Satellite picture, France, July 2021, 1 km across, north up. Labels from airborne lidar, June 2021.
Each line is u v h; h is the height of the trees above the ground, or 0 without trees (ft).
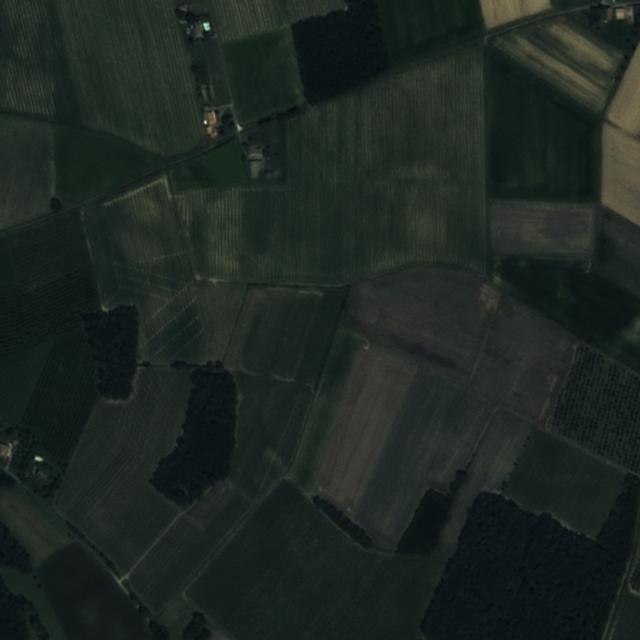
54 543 0
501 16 0
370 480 0
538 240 0
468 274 0
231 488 0
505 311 0
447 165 0
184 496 69
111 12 0
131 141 0
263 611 0
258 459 0
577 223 0
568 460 0
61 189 0
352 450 0
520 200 0
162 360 0
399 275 0
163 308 0
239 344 0
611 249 0
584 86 0
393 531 0
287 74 0
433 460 0
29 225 0
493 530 79
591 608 80
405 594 0
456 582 71
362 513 0
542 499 0
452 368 0
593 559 86
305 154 0
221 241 0
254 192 0
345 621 0
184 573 0
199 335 0
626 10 0
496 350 0
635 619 0
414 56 0
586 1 0
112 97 0
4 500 0
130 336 49
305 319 0
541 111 0
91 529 0
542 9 0
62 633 0
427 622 52
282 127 0
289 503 0
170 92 0
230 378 67
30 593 0
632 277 0
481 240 0
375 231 0
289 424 0
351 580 0
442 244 0
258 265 0
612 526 37
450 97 0
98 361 66
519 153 0
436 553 0
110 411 0
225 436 53
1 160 0
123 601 0
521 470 0
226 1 0
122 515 0
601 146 0
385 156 0
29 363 0
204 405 41
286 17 0
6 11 0
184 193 0
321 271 0
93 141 0
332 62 65
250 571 0
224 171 0
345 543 0
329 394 0
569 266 0
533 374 0
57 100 0
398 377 0
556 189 0
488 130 0
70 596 0
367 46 59
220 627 0
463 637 63
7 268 0
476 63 0
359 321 0
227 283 0
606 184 0
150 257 0
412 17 0
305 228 0
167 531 0
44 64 0
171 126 0
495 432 0
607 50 0
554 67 0
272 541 0
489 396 0
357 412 0
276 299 0
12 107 0
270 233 0
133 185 0
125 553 0
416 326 0
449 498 20
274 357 0
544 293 0
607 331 0
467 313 0
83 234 0
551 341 0
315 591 0
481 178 0
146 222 0
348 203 0
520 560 42
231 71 0
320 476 0
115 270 0
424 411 0
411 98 0
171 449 0
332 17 43
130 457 0
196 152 0
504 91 0
